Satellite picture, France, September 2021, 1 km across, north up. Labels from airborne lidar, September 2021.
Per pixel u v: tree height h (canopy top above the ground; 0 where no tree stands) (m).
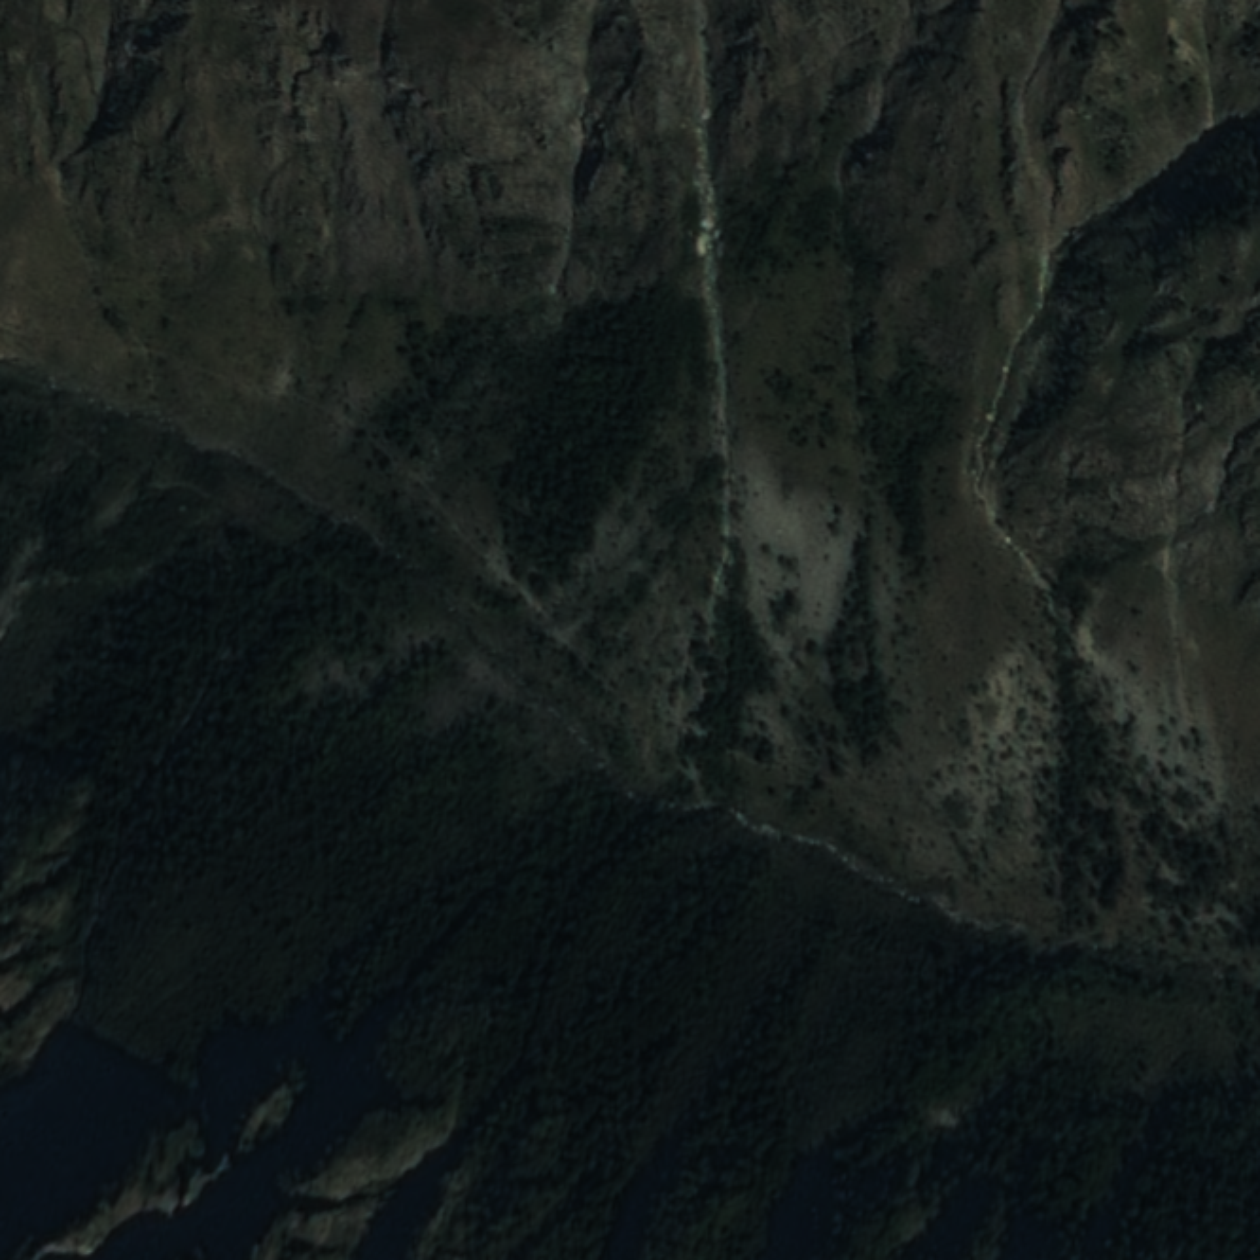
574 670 10
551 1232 8
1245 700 0
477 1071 15
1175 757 0
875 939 6
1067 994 11
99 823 9
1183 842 9
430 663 6
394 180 0
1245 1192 15
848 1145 14
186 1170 7
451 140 9
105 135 6
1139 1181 17
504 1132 11
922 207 0
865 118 0
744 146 0
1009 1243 14
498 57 0
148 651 11
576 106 0
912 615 0
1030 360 0
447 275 0
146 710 11
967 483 0
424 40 0
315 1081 8
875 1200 13
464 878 9
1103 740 8
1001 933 0
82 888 8
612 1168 9
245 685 9
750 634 9
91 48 0
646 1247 10
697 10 0
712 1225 9
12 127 0
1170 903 8
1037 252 0
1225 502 9
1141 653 0
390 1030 7
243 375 0
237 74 9
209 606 8
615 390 12
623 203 6
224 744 14
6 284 0
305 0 0
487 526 0
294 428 0
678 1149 8
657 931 8
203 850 9
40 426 6
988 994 14
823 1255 11
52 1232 7
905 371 13
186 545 6
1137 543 8
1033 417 6
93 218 0
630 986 11
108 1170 8
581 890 12
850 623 14
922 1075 15
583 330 11
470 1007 8
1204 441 0
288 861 9
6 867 6
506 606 11
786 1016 12
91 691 11
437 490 0
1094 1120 15
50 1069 0
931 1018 6
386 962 6
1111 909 11
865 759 11
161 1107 9
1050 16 0
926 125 0
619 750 7
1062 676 7
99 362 0
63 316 0
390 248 0
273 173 0
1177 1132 15
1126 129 13
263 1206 8
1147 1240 11
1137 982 12
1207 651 0
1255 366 8
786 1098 14
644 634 0
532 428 14
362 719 11
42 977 10
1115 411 0
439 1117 6
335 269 0
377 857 6
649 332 11
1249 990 6
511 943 10
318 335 0
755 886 13
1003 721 0
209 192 0
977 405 0
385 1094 7
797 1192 0
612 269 9
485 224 7
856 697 15
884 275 10
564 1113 13
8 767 9
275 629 10
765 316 0
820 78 0
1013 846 0
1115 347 0
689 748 13
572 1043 9
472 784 7
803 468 0
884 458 9
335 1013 12
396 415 8
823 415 7
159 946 0
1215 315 8
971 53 0
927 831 0
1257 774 0
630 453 12
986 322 0
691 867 11
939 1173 7
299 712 9
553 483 14
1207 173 12
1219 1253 12
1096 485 7
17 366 0
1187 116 0
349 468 0
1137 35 0
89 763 8
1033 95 0
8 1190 10
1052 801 9
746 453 0
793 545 0
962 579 0
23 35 0
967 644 0
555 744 0
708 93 0
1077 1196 13
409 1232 8
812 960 9
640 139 0
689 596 0
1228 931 10
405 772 10
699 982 14
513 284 9
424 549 7
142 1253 8
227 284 0
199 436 0
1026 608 0
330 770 9
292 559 10
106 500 0
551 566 11
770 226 7
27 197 0
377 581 7
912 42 0
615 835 10
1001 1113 14
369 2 0
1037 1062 9
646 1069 10
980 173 0
